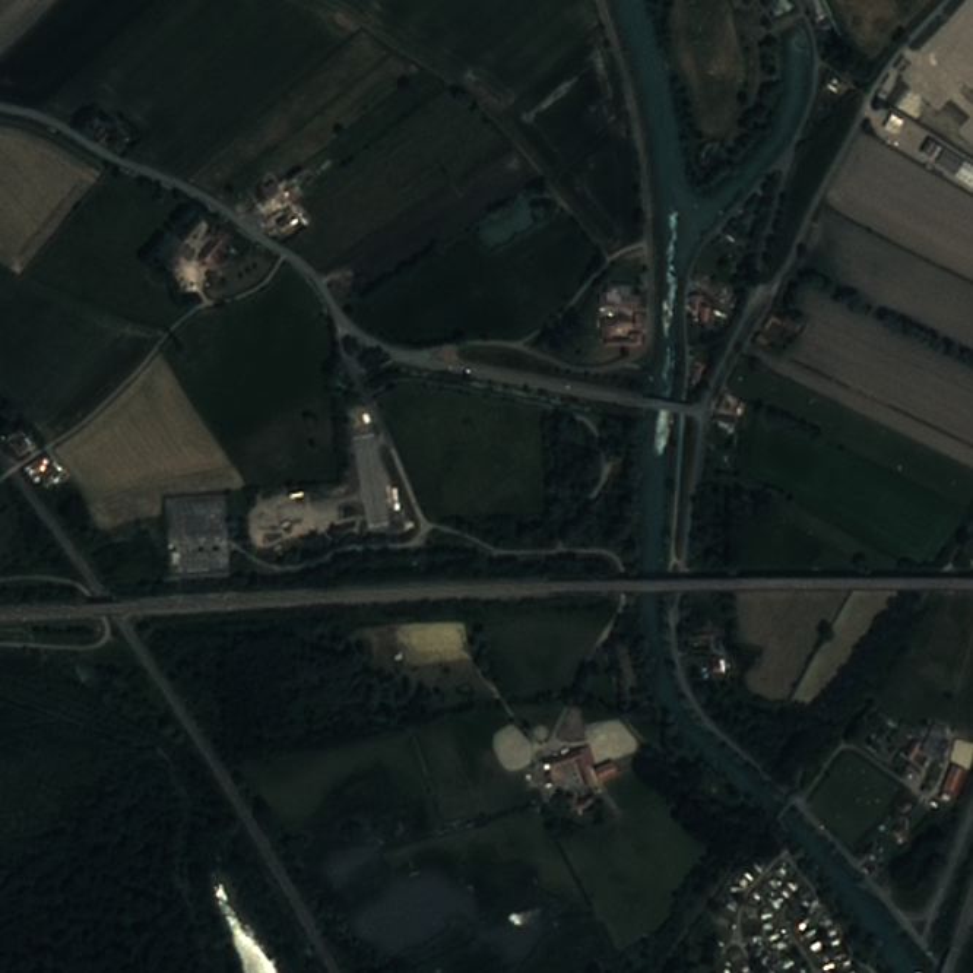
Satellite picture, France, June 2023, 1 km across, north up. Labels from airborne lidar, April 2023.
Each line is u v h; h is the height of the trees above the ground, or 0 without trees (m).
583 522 16
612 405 6
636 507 18
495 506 0
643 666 13
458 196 0
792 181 0
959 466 0
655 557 0
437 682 0
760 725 15
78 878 17
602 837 0
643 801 0
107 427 0
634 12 0
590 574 8
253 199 0
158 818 13
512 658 0
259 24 0
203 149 0
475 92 0
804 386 0
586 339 0
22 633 0
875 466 0
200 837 21
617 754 0
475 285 0
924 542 0
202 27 0
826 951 12
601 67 0
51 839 9
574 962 0
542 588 0
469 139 0
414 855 0
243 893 6
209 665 6
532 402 0
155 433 0
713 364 6
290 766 0
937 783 0
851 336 0
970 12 0
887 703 0
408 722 9
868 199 0
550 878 0
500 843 0
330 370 20
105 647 0
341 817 0
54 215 0
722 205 0
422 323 0
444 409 0
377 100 0
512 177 0
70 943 24
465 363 0
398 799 0
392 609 6
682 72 0
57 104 0
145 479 0
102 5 0
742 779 0
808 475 0
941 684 0
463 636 0
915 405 0
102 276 0
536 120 0
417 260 10
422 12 0
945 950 0
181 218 13
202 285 0
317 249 0
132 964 24
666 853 0
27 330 0
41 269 0
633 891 0
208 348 0
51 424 0
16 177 0
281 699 17
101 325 0
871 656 25
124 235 0
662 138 0
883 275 0
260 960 0
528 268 0
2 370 0
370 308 0
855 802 0
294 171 8
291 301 0
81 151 0
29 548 9
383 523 0
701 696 14
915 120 0
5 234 0
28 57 0
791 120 0
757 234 8
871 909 0
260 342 0
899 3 0
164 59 0
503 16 0
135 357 0
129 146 8
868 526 0
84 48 0
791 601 0
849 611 0
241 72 0
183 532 0
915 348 0
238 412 0
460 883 0
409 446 0
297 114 0
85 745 7
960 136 0
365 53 0
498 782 0
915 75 0
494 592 0
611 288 0
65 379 0
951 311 0
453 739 0
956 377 0
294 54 0
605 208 0
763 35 0
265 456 0
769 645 0
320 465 0
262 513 0
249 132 0
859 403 0
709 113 0
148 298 0
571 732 0
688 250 0
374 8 0
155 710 7
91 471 0
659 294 0
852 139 0
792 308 12
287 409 0
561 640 0
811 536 0
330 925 11
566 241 0
